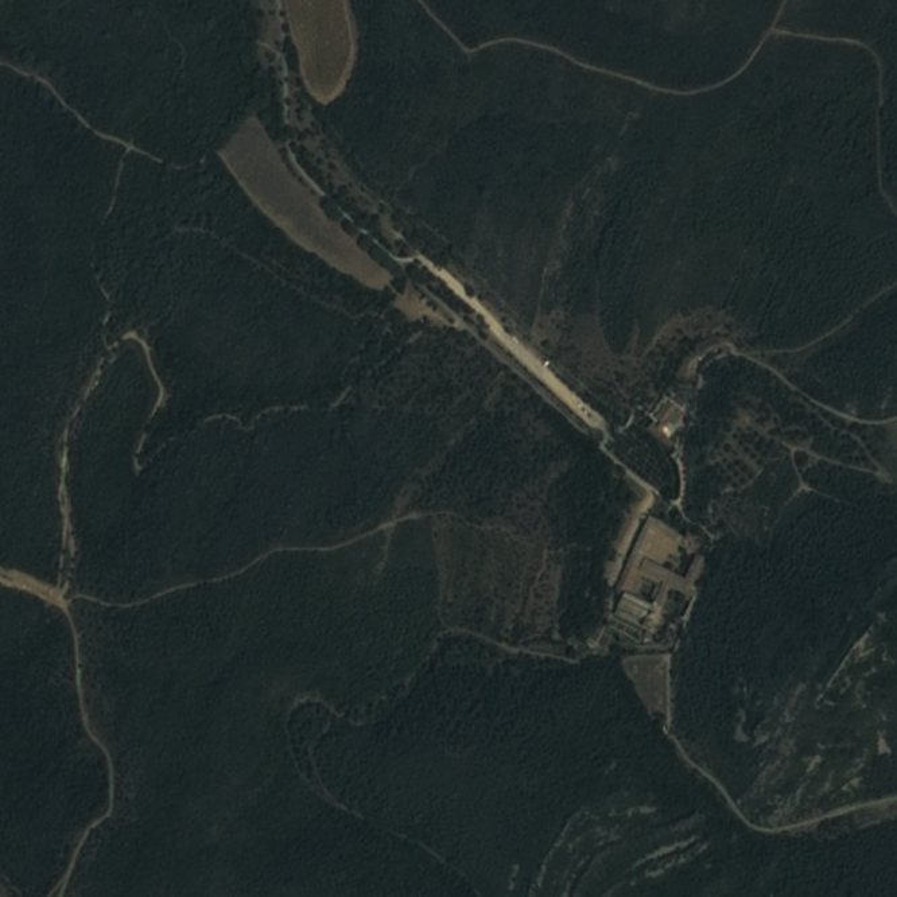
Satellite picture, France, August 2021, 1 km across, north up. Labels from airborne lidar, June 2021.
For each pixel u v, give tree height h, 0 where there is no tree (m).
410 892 6
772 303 8
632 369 0
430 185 0
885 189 0
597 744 6
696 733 7
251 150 0
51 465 6
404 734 7
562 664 8
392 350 8
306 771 8
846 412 0
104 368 7
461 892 6
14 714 9
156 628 6
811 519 7
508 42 0
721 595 7
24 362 5
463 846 6
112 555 6
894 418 0
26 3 6
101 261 6
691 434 6
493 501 6
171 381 6
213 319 0
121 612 8
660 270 0
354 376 7
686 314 6
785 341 6
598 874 0
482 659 13
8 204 6
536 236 0
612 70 0
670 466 10
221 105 6
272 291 8
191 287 7
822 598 6
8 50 5
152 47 6
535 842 0
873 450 8
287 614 7
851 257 6
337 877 6
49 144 6
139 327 5
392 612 8
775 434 7
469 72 6
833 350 8
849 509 8
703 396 7
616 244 6
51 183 6
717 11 0
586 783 6
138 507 6
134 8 10
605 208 6
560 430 6
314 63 0
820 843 7
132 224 7
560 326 6
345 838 5
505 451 6
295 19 0
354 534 0
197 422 13
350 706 10
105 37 7
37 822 7
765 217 7
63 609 0
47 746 6
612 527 10
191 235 7
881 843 6
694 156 0
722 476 6
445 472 7
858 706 0
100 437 7
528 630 6
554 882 0
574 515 6
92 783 6
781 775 0
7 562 6
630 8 0
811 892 7
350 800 7
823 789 0
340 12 0
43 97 10
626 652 11
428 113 0
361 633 7
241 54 13
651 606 0
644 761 8
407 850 6
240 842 6
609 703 6
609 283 6
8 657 7
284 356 5
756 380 7
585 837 0
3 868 7
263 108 13
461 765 0
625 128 0
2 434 6
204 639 6
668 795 6
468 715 9
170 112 5
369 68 5
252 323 7
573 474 9
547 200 0
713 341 0
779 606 7
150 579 5
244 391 6
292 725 11
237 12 7
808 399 7
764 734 0
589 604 12
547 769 5
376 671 9
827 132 8
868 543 7
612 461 15
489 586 0
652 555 0
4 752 6
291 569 6
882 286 7
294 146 9
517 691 8
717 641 7
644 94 0
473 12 5
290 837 5
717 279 0
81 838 0
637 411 6
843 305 6
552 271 0
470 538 0
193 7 9
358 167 5
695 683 7
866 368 6
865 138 10
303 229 0
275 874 6
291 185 0
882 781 7
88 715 0
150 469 7
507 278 0
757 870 6
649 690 0
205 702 6
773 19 0
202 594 6
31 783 7
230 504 7
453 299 8
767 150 6
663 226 0
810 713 0
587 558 9
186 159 5
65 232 7
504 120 6
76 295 7
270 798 6
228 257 6
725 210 6
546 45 0
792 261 7
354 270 0
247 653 7
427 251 14
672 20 0
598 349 0
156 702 6
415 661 11
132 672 6
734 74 0
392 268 14
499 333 0
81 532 5
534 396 7
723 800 7
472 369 5
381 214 7
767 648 0
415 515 0
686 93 0
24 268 6
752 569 7
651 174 6
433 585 7
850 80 7
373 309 11
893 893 7
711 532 7
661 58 0
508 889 0
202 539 6
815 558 7
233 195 9
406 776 0
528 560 0
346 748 6
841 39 0
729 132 0
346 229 11
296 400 8
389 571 6
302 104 6
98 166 6
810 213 6
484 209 0
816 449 9
